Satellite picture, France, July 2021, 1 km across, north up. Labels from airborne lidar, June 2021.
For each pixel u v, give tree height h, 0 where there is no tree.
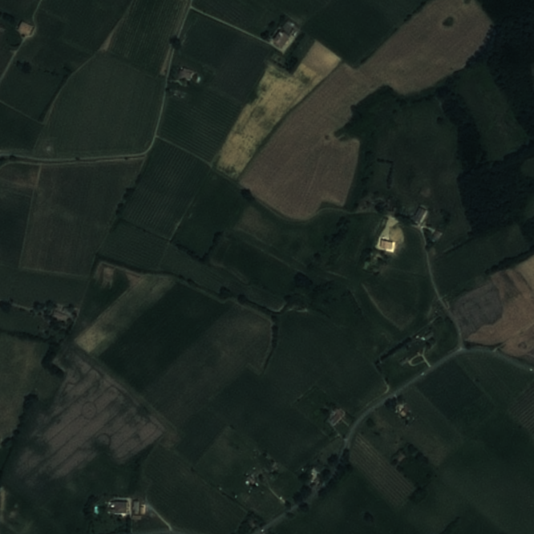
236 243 0
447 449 0
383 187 0
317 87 0
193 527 0
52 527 0
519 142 0
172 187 0
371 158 8
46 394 0
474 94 0
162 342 0
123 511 0
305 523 0
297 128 0
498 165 15
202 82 0
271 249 0
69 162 0
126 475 0
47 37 0
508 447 0
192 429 0
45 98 0
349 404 0
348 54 0
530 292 0
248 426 0
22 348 0
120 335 0
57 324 6
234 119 0
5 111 0
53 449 0
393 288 0
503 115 0
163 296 0
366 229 0
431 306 0
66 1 0
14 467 0
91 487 0
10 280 0
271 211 0
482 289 0
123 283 0
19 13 0
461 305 0
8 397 0
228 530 0
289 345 0
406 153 0
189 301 0
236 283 0
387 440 0
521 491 0
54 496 0
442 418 0
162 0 0
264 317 0
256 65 0
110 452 0
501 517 0
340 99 0
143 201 0
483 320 0
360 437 0
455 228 0
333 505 0
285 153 0
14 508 0
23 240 0
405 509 0
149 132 0
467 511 0
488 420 0
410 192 0
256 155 0
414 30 0
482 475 0
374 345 0
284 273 0
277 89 0
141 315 0
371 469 0
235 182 0
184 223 0
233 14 0
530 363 0
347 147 0
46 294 0
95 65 0
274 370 0
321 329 0
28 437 0
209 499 0
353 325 0
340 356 0
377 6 0
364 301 0
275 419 0
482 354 0
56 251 0
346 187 0
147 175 0
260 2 0
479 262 0
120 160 0
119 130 0
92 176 0
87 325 0
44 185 0
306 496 21
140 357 0
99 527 0
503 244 0
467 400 0
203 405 0
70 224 0
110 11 0
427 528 0
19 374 0
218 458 0
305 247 0
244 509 0
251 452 0
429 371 0
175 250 0
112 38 0
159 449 0
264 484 0
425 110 0
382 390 0
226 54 0
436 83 0
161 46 0
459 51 0
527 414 0
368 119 0
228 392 0
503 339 0
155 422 0
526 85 6
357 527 0
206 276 0
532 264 0
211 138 0
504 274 0
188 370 0
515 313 0
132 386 0
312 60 0
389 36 0
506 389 0
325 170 0
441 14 0
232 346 0
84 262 0
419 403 0
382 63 0
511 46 14
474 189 19
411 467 0
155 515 0
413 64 0
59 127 0
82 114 0
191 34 0
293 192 0
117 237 0
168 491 0
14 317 0
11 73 0
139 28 0
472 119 9
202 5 0
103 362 0
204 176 0
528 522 0
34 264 0
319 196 0
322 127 0
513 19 22
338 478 14
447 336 0
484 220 18
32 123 0
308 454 0
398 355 0
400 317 0
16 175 0
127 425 0
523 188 7
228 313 0
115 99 0
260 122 0
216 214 0
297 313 0
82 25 0
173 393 0
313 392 0
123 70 0
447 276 0
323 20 0
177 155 0
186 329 0
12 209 0
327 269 0
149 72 0
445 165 0
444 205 0
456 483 0
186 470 0
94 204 0
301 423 0
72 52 0
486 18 0
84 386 0
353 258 0
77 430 0
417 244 0
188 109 0
